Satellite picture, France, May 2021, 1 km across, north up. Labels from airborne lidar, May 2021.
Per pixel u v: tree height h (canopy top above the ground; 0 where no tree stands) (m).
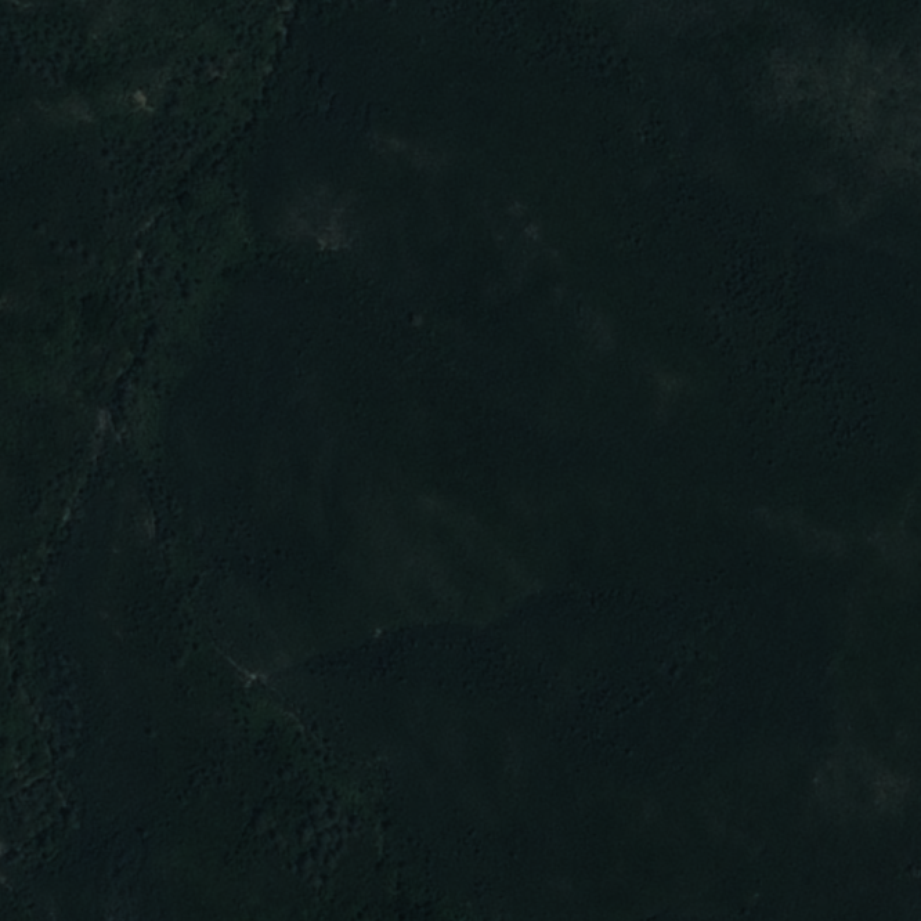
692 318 6
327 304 6
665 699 6
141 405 20
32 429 6
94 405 8
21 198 6
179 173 8
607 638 6
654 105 7
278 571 6
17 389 6
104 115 6
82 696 15
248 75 6
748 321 5
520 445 7
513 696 6
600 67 14
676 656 6
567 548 6
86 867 7
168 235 6
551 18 9
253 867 8
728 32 6
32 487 8
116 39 6
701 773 6
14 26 20
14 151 7
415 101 6
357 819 22
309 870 24
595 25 13
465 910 9
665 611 8
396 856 8
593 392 5
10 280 7
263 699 6
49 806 11
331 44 7
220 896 7
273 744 14
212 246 9
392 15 6
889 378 7
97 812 7
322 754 18
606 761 7
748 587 6
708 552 6
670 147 11
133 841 6
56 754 11
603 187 5
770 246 10
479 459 8
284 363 6
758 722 6
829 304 6
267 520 6
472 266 6
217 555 6
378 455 6
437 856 7
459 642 7
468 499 5
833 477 7
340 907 9
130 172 13
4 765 5
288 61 13
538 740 6
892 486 6
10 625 17
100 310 14
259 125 11
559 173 7
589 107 5
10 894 6
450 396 6
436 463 7
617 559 6
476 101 7
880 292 7
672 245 7
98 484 9
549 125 6
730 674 6
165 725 5
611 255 8
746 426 6
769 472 6
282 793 10
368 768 6
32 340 9
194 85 9
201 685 8
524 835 7
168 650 7
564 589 6
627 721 6
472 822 6
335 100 7
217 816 8
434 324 8
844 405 6
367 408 8
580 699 5
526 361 6
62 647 10
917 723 5
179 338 5
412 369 8
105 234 11
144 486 6
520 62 7
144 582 7
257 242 10
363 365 8
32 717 6
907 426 6
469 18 7
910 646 6
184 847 7
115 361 19
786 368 8
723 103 6
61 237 6
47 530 6
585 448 7
